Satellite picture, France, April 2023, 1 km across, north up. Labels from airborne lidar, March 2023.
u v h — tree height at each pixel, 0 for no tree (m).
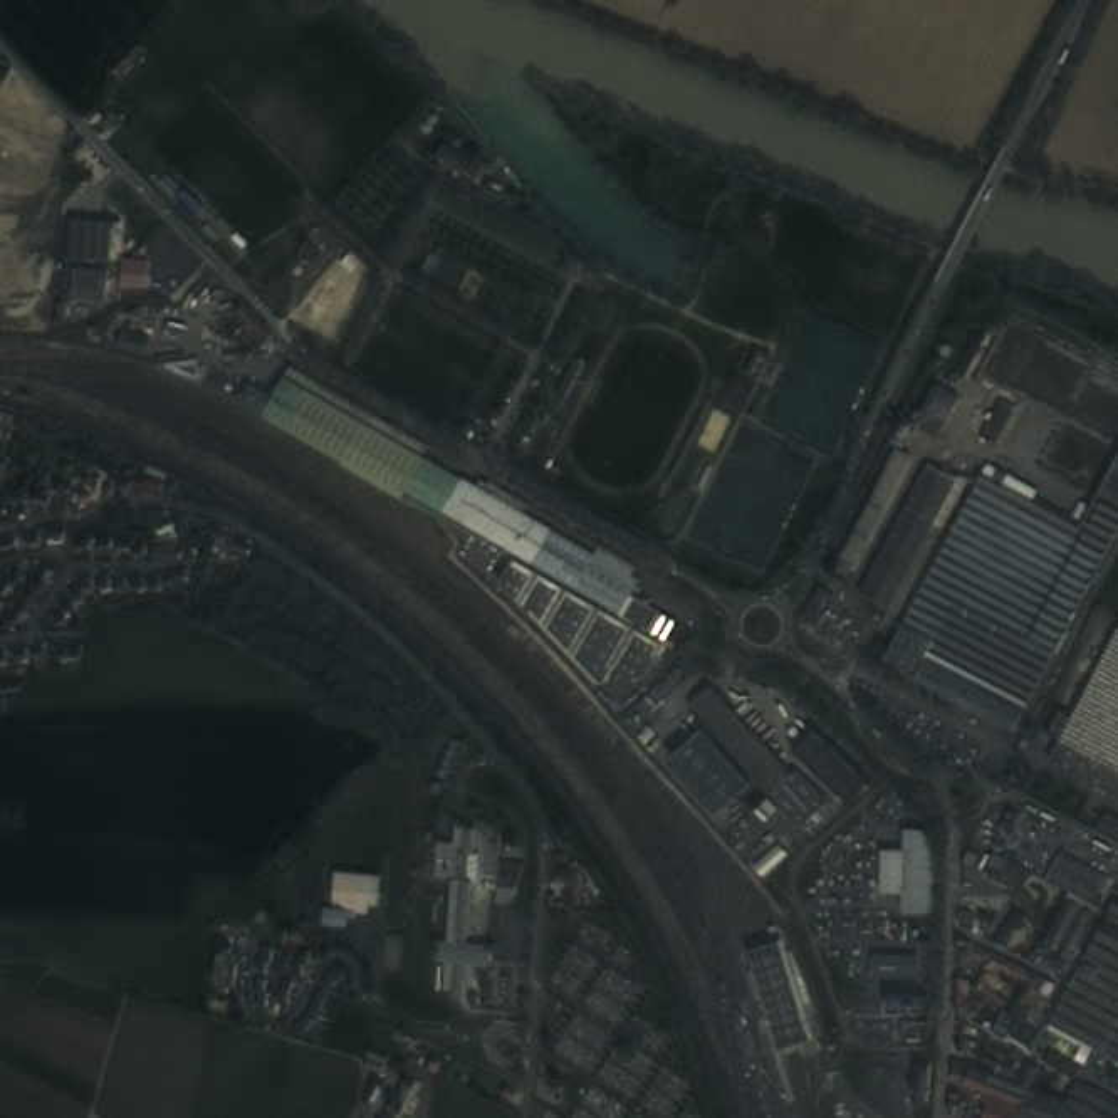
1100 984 0
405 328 0
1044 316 13
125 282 0
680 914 0
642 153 0
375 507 0
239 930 0
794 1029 0
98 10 0
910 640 0
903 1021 0
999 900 0
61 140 0
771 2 0
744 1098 0
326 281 0
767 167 14
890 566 0
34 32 0
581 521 23
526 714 0
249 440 0
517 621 0
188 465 0
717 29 0
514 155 0
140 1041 0
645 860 0
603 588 0
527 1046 18
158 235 0
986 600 0
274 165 0
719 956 0
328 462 0
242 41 0
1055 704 0
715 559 0
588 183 0
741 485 0
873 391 0
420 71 13
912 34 0
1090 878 0
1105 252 0
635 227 0
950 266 0
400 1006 0
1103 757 0
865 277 0
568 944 0
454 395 0
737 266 0
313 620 8
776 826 0
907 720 0
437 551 0
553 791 0
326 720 11
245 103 0
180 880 0
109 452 0
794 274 0
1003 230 0
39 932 0
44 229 0
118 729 0
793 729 0
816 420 0
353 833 0
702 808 0
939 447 0
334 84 0
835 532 23
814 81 0
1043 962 0
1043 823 0
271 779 0
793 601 11
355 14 13
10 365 0
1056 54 0
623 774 0
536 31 0
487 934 0
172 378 0
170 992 0
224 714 0
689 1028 0
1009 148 0
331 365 29
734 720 0
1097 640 0
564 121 12
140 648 0
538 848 0
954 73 0
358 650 15
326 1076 0
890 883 0
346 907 0
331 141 0
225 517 0
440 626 0
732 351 0
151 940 0
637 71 0
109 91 0
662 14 0
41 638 0
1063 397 0
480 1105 0
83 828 0
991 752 0
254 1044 0
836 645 0
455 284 0
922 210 0
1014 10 0
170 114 0
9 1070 0
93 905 0
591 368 0
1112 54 0
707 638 16
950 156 13
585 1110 0
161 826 0
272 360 0
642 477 0
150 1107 0
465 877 0
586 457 0
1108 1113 0
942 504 0
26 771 0
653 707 0
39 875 0
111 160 0
